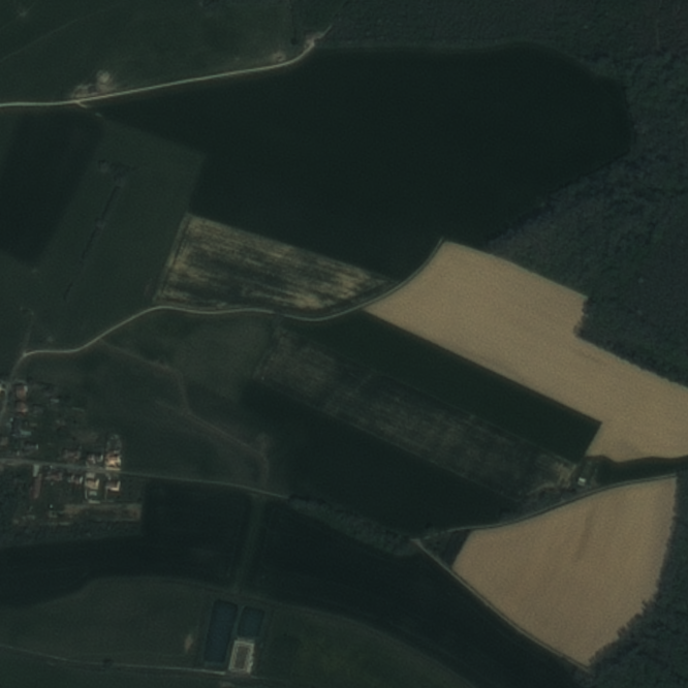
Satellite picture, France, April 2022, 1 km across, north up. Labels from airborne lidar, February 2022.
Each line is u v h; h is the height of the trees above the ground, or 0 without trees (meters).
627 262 29
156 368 0
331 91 0
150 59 0
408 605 0
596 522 0
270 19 0
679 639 21
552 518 0
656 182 28
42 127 0
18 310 0
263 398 0
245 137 0
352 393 0
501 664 0
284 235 0
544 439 0
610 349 13
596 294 21
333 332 0
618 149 0
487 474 0
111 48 0
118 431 0
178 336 0
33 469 0
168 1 0
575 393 0
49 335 0
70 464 0
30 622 0
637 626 17
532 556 0
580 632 0
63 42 0
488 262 0
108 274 0
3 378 10
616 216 29
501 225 0
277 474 0
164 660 0
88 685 0
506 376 0
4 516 7
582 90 0
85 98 0
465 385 0
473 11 9
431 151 0
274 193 0
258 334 0
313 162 0
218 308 0
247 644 0
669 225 23
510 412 0
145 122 0
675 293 19
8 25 0
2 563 0
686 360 22
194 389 0
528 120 0
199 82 0
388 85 0
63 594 0
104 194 0
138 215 0
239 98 0
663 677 21
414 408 0
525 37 10
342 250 0
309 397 0
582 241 30
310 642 0
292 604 0
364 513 0
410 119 0
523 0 13
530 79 0
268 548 0
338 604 0
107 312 0
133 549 0
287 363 0
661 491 0
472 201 0
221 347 0
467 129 0
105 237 0
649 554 0
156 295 0
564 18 12
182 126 0
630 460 0
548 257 29
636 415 0
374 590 0
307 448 0
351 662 0
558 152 0
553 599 0
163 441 0
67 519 0
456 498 0
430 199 0
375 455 0
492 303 0
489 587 0
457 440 0
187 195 0
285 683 0
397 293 0
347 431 0
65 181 0
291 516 0
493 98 0
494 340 0
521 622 0
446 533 8
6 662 0
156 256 0
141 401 0
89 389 0
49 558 0
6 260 0
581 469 0
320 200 0
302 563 0
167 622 0
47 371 0
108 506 0
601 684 26
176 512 0
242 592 0
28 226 0
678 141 17
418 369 0
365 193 0
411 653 0
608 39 8
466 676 0
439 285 0
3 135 0
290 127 0
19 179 0
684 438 0
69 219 0
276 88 0
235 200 0
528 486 0
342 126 0
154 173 0
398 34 14
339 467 0
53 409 0
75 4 0
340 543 0
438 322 0
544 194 0
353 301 0
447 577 0
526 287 0
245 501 0
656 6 7
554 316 0
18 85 0
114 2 0
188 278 0
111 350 0
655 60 24
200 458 0
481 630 0
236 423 0
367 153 0
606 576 0
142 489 0
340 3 10
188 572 0
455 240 0
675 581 26
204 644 0
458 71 0
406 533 0
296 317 0
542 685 0
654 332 25
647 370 16
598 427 0
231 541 0
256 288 0
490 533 0
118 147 0
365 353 0
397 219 0
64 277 0
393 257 0
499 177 0
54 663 0
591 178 7
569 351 0
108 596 0
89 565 0
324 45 11
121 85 0
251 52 0
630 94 22
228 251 0
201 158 0
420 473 0
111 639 0
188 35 0
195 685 0
